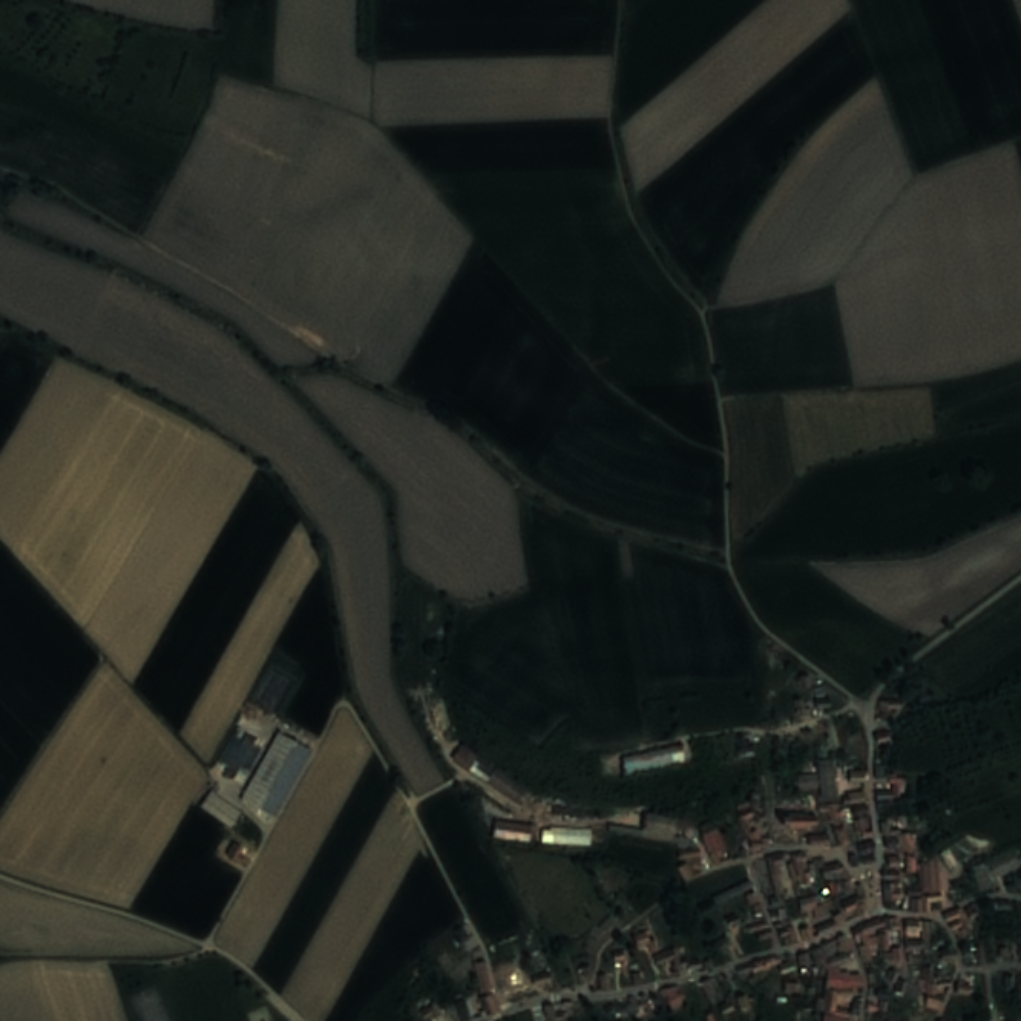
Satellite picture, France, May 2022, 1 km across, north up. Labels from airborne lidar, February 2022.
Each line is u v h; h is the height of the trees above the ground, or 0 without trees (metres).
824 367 0
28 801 0
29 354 0
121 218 0
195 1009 0
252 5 0
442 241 0
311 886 0
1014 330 0
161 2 0
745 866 0
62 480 0
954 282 0
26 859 0
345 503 0
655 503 0
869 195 0
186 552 0
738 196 0
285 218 0
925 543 0
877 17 0
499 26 0
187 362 0
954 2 0
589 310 0
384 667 0
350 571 0
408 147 0
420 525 0
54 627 0
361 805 0
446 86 0
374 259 0
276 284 0
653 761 0
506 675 0
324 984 0
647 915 0
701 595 0
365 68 0
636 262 0
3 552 0
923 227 0
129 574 0
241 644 0
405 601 0
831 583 0
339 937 0
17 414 0
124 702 0
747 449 0
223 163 0
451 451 0
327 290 0
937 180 0
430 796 0
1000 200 0
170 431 0
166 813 0
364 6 6
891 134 0
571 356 0
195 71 0
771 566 0
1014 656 0
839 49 0
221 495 0
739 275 0
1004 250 0
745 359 0
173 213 0
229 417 0
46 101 0
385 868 0
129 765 0
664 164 0
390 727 0
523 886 0
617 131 0
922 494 0
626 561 0
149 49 0
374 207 0
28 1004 0
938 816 0
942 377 0
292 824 0
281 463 0
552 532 0
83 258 8
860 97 0
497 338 0
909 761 0
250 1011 0
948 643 0
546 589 0
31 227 0
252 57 0
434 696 0
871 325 0
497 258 0
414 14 0
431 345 0
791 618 0
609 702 0
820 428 0
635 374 0
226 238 0
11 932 0
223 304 0
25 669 0
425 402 0
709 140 0
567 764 0
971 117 0
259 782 0
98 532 0
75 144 0
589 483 0
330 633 0
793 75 0
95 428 0
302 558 0
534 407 0
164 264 0
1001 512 0
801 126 0
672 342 0
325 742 0
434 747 8
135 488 0
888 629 0
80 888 0
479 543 0
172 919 0
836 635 0
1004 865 0
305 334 0
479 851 0
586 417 0
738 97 0
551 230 0
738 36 0
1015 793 0
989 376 0
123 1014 0
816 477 0
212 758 0
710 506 0
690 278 0
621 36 0
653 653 0
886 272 0
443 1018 0
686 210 0
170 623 0
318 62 0
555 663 0
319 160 0
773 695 0
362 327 0
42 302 0
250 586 0
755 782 6
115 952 0
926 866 0
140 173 0
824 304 0
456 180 0
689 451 0
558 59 0
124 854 0
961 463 0
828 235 0
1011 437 0
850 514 0
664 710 0
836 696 0
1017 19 0
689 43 0
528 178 0
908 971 0
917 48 0
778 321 0
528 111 0
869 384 0
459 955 0
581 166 0
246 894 0
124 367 0
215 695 0
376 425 0
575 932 0
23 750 0
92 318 0
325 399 0
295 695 0
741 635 0
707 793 7
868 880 0
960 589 0
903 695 13
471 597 0
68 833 0
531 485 0
